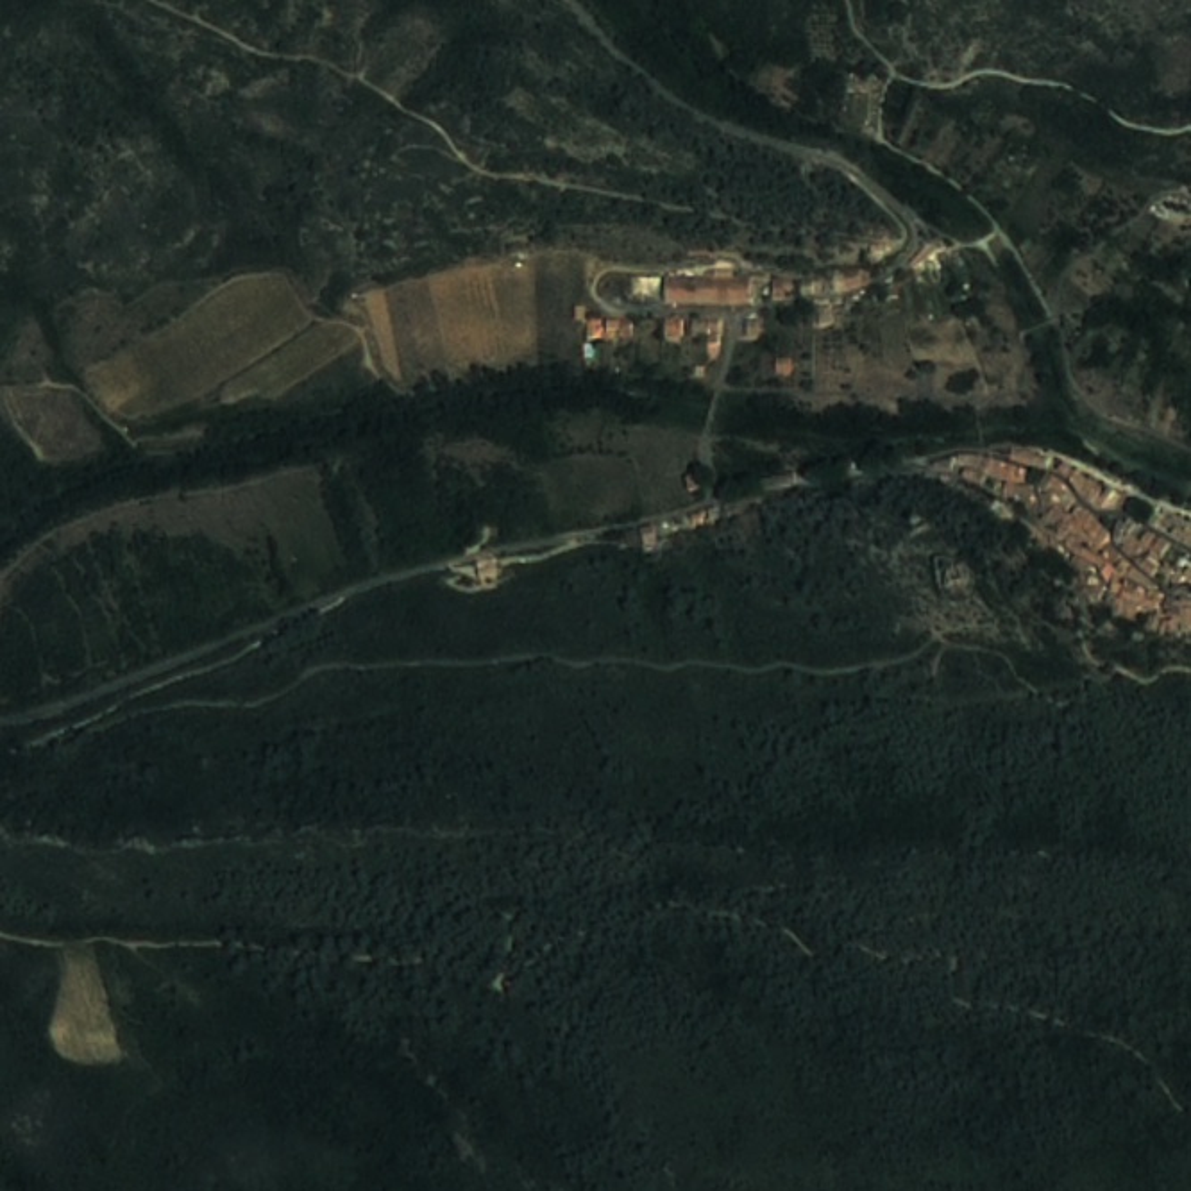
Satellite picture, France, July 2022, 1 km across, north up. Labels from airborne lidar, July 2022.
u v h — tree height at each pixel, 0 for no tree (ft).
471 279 0
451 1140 31
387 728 25
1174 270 22
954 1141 26
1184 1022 45
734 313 0
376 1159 38
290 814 27
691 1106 0
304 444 63
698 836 36
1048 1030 22
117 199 0
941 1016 27
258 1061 26
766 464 22
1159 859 30
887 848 27
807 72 29
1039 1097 36
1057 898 34
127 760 23
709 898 43
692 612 40
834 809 36
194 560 19
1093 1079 28
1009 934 38
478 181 0
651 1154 28
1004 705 28
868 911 33
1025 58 0
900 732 38
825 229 41
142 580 20
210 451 65
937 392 0
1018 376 0
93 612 23
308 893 47
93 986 0
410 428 22
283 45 37
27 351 0
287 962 40
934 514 27
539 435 22
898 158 19
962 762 43
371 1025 37
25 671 18
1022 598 32
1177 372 18
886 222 29
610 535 35
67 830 25
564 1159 35
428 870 41
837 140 28
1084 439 0
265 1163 0
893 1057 32
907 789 32
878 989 49
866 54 27
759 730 32
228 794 19
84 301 0
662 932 27
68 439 0
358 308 0
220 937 24
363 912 47
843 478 75
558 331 0
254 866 38
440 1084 29
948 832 35
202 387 0
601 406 59
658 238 0
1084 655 0
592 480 0
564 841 31
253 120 0
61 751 45
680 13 23
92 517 0
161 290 0
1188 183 18
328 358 0
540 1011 46
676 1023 25
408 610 24
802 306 37
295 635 45
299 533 0
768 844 39
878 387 0
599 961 31
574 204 28
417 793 19
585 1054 29
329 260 0
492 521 21
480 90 31
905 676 20
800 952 42
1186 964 31
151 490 26
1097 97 19
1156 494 48
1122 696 53
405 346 0
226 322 0
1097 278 0
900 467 69
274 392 0
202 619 18
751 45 25
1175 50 0
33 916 29
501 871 48
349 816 23
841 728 36
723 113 33
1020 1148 31
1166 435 0
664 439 0
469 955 39
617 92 47
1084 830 30
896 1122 21
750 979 36
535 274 0
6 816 28
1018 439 23
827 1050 21
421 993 46
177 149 21
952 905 29
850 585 30
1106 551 0
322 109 0
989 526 34
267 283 0
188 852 0
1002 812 34
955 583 0
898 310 0
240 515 0
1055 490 0
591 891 48
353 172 26
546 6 29
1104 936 32
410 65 0
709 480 80
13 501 40
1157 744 33
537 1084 20
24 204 0
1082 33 28
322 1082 35
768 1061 25
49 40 0
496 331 0
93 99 25
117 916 31
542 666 26
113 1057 0
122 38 0
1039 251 0
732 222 41
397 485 24
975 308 49
